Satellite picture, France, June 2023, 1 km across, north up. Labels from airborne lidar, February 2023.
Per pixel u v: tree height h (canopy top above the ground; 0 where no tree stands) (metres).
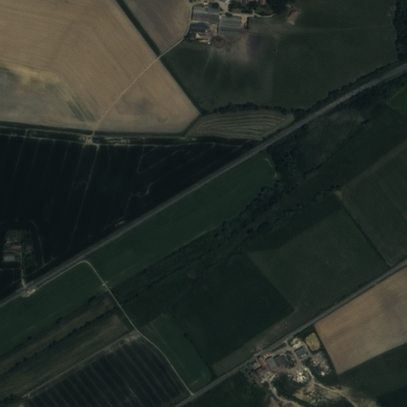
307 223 0
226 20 0
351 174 0
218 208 0
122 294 0
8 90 0
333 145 0
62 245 0
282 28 0
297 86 0
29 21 0
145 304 0
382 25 0
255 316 0
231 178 0
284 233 0
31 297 0
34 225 0
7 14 0
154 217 0
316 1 0
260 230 12
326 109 0
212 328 0
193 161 0
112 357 0
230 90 0
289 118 0
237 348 0
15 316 0
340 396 0
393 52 0
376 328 0
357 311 0
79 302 0
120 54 0
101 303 0
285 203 0
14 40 0
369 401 0
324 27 0
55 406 0
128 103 0
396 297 0
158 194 0
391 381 0
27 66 0
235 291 0
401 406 0
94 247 0
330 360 0
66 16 0
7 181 0
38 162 0
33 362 0
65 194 0
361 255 0
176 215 0
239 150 0
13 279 0
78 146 0
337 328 0
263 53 0
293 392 0
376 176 0
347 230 0
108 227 0
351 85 10
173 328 0
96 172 0
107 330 0
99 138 0
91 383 0
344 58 0
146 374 0
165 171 0
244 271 0
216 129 0
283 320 0
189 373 0
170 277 6
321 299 0
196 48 0
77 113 0
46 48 0
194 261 7
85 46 0
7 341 0
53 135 0
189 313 0
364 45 0
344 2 0
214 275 0
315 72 0
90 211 0
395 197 0
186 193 0
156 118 0
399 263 0
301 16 0
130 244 0
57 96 0
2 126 0
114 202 0
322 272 0
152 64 0
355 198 0
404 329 0
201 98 0
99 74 0
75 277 0
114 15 0
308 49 0
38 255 0
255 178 0
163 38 0
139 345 0
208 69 0
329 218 0
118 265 0
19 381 0
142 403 0
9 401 14
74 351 0
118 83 0
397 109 0
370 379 0
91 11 0
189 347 0
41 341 0
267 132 0
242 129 0
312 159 0
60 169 0
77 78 0
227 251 0
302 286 0
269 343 0
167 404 0
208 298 0
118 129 0
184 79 0
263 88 0
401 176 0
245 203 0
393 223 0
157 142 0
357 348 0
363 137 0
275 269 0
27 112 0
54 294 0
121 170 0
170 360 0
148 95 0
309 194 0
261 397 0
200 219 0
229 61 0
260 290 0
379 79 0
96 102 0
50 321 0
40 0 0
